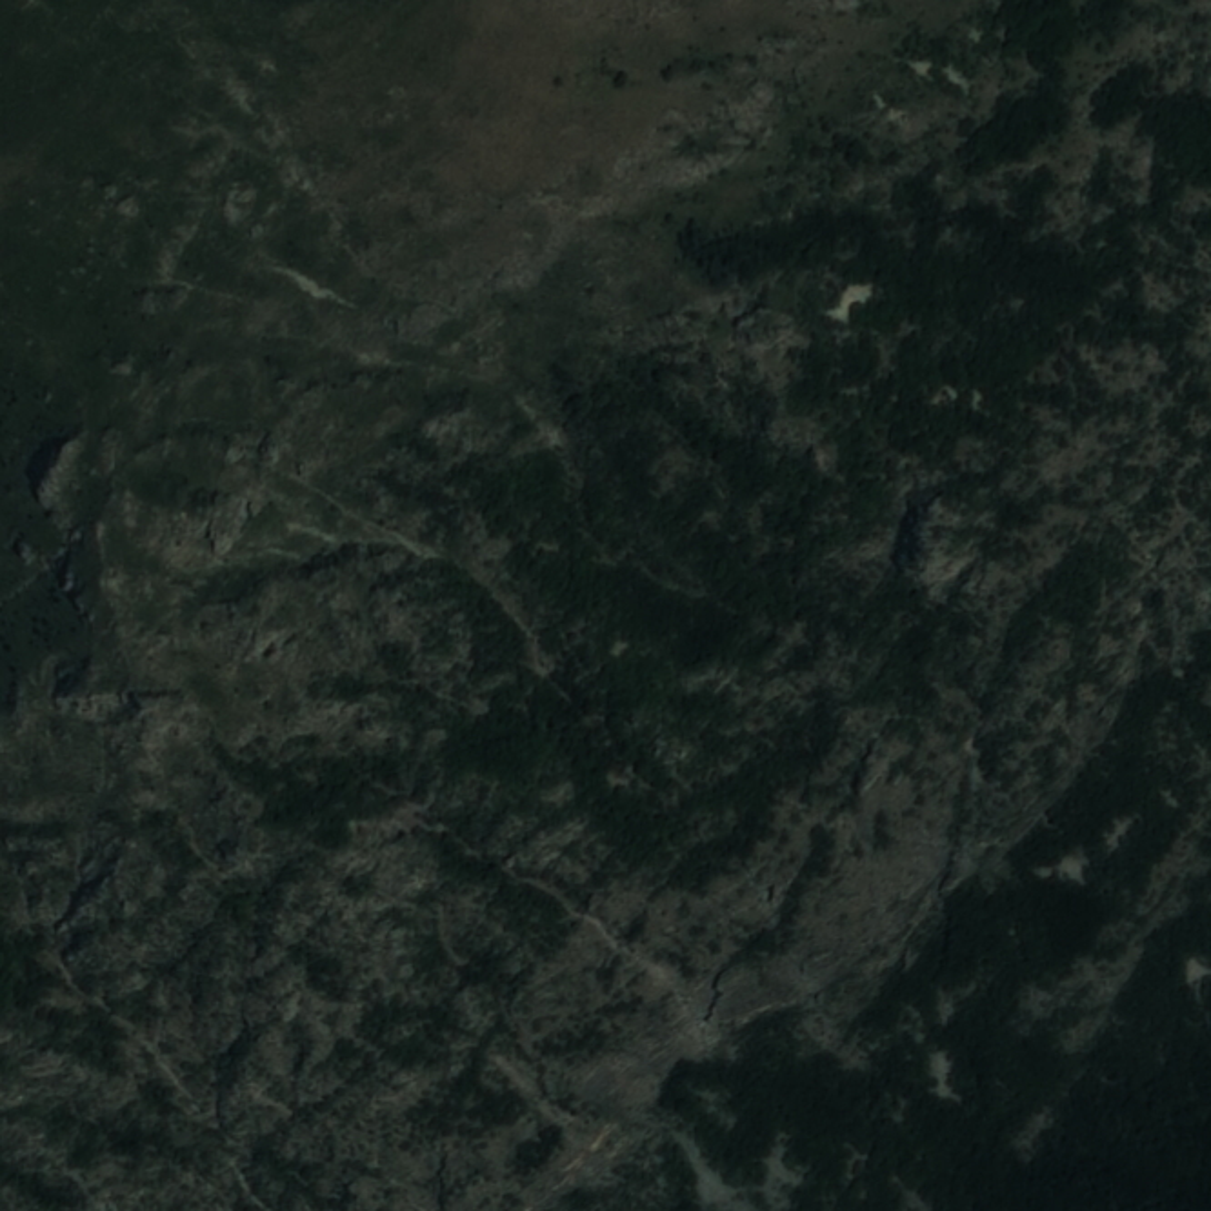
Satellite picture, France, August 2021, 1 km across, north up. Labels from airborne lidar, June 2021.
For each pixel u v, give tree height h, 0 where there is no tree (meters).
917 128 0
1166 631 6
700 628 7
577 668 9
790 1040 7
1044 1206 18
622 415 9
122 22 0
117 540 0
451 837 15
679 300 0
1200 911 16
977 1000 10
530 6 0
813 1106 15
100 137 0
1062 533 8
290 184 0
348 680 11
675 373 8
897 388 15
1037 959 12
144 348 0
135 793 0
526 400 0
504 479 11
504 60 0
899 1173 13
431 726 11
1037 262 9
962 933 14
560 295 0
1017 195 7
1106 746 14
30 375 0
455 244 0
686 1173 9
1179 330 8
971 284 11
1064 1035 7
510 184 0
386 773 12
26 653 0
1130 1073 10
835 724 10
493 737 14
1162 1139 17
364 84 0
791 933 7
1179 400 7
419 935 7
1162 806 14
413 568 6
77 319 0
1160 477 8
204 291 0
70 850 10
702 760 6
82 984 11
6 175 0
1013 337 13
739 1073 13
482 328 0
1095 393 8
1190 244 11
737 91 0
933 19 0
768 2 0
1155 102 10
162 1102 7
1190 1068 11
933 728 6
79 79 0
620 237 0
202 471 0
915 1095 14
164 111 0
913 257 15
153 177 0
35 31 0
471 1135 9
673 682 11
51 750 0
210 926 8
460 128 0
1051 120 8
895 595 14
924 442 15
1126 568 7
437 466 7
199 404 0
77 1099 8
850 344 9
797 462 16
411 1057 14
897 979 11
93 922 8
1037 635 7
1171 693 10
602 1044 7
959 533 8
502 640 10
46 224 0
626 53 0
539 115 0
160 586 0
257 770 8
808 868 10
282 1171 11
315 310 0
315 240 0
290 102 0
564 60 0
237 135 0
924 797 8
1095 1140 15
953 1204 15
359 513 0
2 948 12
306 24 0
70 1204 15
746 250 11
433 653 9
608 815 11
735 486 10
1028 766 7
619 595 6
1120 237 8
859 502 9
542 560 12
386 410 0
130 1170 7
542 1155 7
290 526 0
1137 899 7
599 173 0
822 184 6
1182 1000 13
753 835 11
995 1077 10
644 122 0
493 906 11
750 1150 16
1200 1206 20
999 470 15
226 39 0
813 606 10
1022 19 9
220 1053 9
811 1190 11
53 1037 9
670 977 0
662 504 7
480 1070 7
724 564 13
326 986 6
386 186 0
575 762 15
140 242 0
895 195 6
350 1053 13
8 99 0
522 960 6
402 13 0
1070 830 14
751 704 8
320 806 6
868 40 0
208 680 0
